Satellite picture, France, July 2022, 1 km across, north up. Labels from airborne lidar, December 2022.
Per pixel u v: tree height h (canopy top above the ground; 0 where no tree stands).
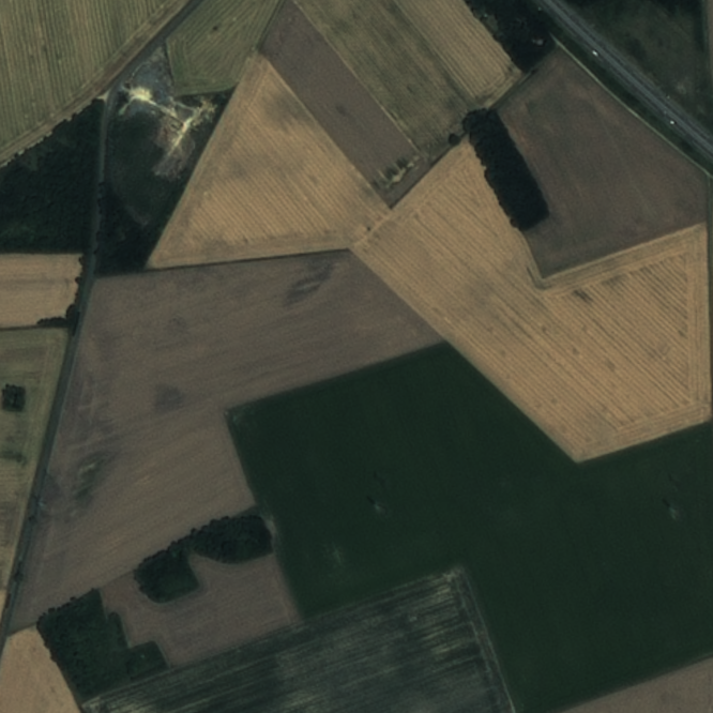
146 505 0
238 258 0
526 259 0
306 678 0
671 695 0
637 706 0
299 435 0
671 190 0
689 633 0
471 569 0
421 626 0
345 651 0
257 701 0
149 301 0
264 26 0
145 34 0
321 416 0
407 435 0
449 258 0
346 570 0
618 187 0
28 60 0
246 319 0
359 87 0
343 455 0
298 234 0
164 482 0
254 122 0
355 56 0
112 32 0
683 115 0
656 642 0
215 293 0
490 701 0
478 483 0
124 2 0
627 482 0
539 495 0
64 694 0
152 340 0
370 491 0
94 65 0
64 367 0
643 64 0
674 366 0
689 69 0
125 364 0
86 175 12
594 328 0
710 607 0
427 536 0
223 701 0
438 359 0
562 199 0
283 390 0
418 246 0
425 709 0
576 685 0
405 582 0
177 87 0
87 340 0
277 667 0
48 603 0
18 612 0
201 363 0
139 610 0
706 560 0
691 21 0
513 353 0
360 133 0
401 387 0
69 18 0
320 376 0
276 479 0
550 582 0
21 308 0
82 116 8
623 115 0
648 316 0
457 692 0
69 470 0
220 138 0
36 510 0
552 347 0
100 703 0
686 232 0
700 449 0
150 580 7
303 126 0
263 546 11
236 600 0
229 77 0
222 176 0
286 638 0
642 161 0
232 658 0
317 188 0
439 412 0
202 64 0
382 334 0
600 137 0
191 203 0
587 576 0
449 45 0
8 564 0
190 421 0
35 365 0
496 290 0
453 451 0
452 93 0
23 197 7
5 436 0
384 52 0
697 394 0
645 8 0
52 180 11
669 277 0
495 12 14
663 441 0
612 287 0
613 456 0
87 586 0
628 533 0
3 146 0
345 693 0
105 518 0
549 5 0
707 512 0
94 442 0
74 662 10
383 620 0
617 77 0
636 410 0
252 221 0
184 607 0
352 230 0
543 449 0
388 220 0
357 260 0
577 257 0
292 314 0
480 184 0
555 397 0
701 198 0
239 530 12
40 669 0
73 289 0
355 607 0
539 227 0
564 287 0
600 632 0
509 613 0
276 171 0
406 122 0
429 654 0
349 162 0
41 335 0
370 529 0
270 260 0
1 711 0
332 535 0
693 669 0
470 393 0
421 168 0
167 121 0
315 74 0
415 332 0
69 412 0
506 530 0
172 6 0
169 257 0
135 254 10
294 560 0
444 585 0
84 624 8
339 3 0
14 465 0
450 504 0
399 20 0
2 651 0
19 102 0
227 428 0
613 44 0
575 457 0
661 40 0
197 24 0
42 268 0
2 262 0
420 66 0
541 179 0
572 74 0
